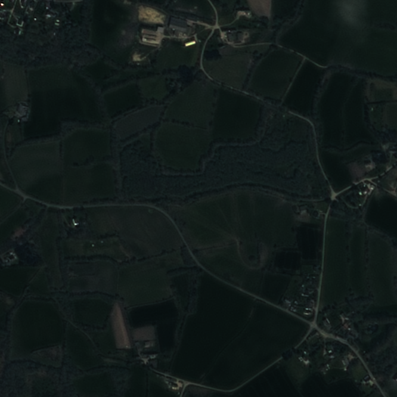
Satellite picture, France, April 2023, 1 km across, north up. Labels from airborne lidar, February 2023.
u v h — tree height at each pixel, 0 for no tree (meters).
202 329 0
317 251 0
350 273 0
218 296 0
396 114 0
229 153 12
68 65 18
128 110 6
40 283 0
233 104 0
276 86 0
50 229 0
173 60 0
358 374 0
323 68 0
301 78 0
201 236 0
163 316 0
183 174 12
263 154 11
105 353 0
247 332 0
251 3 0
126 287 0
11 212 0
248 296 0
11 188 0
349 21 0
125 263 11
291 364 0
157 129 10
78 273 0
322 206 0
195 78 7
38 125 0
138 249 0
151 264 0
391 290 0
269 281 0
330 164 0
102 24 0
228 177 12
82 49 15
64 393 9
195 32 0
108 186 0
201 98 0
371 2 0
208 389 0
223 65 0
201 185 8
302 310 0
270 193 11
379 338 0
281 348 0
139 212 0
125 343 0
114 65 13
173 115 0
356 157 0
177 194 11
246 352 0
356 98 0
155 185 13
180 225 8
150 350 0
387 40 0
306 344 7
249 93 12
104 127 8
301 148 9
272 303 0
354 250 0
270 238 0
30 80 0
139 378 0
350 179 0
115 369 7
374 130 15
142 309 0
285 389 0
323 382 0
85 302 0
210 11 0
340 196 6
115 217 0
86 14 9
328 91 0
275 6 0
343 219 11
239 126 0
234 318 0
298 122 0
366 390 0
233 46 0
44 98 0
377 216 0
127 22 0
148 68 10
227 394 0
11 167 0
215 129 0
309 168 9
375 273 0
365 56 0
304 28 0
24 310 0
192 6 0
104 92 9
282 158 11
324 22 0
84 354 0
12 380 17
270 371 0
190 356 0
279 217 0
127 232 0
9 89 0
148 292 0
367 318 12
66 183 0
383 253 0
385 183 0
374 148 0
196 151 0
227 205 0
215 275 0
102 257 9
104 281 0
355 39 0
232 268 0
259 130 11
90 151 0
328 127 0
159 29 0
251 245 0
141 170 11
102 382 0
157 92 0
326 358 0
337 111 0
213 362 0
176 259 0
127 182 12
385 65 0
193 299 8
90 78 8
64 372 16
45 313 0
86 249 0
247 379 0
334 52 0
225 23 0
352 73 7
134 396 0
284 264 0
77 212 14
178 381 0
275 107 12
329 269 0
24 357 0
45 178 0
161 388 0
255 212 0
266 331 0
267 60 0
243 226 0
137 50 0
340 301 0
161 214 0
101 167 0
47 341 0
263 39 0
